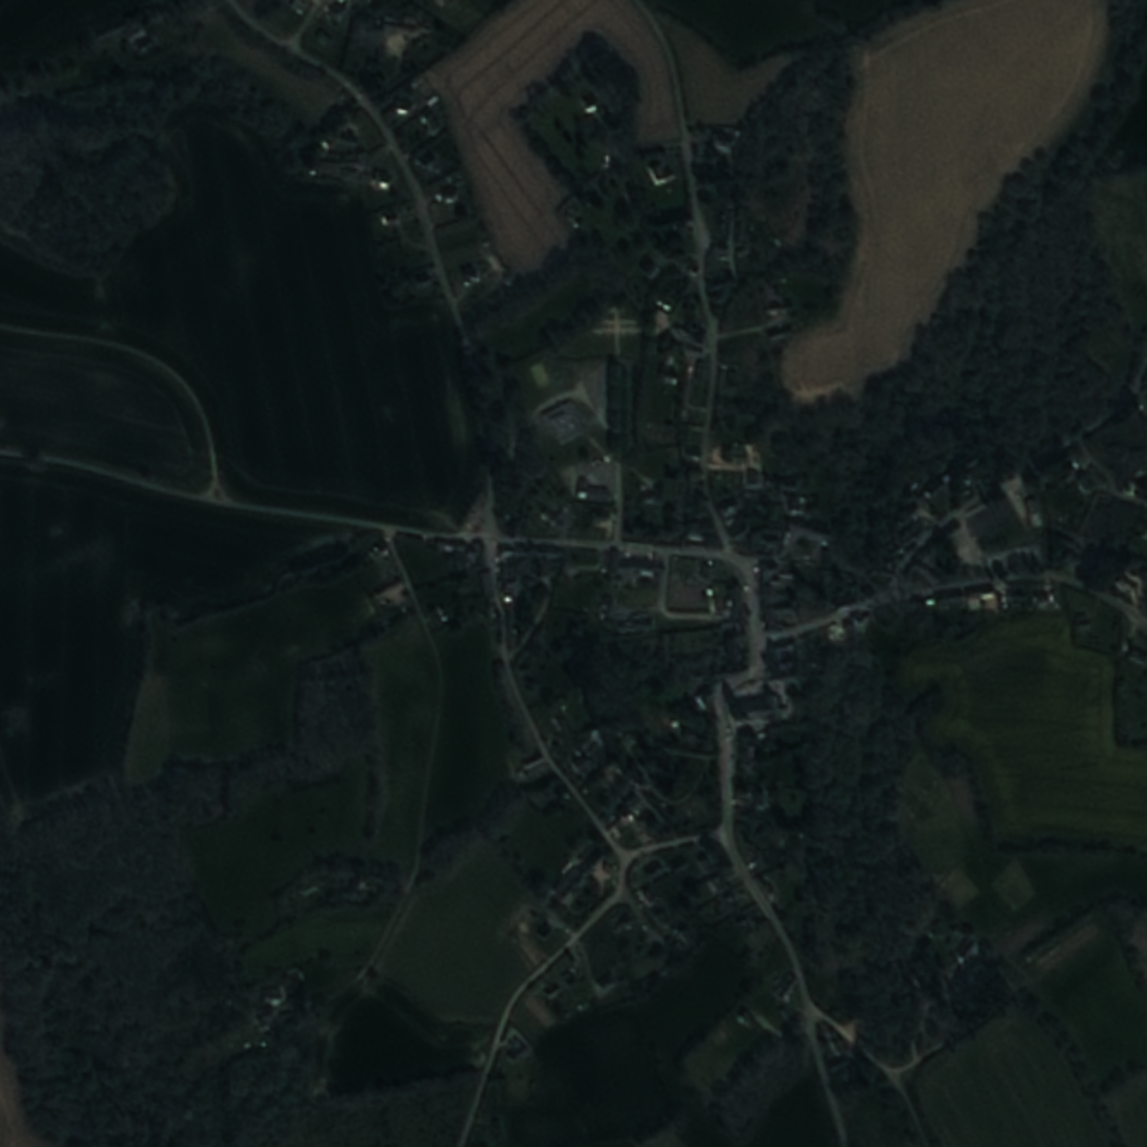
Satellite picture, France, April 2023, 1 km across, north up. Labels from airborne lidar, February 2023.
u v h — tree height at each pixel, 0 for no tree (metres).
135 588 0
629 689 12
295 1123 7
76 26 0
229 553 0
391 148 0
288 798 0
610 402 10
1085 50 0
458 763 0
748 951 9
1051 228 14
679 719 17
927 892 21
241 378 0
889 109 0
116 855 17
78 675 0
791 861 13
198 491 0
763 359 10
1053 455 12
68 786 0
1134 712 0
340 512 0
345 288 0
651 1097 0
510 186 0
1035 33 0
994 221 10
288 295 0
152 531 0
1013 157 0
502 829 17
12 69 0
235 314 0
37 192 21
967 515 0
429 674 0
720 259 0
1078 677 0
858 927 22
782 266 14
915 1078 0
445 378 0
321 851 0
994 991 19
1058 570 12
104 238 15
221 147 0
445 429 0
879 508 6
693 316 7
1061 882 0
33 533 0
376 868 9
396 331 0
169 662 0
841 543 15
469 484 0
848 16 0
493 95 0
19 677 0
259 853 0
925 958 16
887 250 0
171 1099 10
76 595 0
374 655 0
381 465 0
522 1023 0
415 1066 0
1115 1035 0
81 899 17
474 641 0
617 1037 0
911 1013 17
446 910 0
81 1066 13
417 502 0
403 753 0
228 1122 10
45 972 17
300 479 0
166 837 18
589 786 6
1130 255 0
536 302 10
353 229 0
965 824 0
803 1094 0
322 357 0
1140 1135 0
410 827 0
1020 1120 0
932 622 9
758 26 0
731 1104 10
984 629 0
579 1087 0
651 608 0
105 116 20
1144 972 10
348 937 0
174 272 0
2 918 27
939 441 16
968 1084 0
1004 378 18
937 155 0
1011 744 0
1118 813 0
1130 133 0
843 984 7
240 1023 15
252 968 0
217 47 0
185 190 0
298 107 0
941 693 12
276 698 0
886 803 19
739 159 15
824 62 13
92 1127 23
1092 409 15
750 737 12
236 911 0
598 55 16
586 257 18
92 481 0
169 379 0
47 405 0
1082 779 0
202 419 0
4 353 0
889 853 11
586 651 24
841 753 9
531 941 0
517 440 10
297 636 0
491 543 0
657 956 8
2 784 0
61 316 0
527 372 0
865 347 0
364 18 6
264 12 16
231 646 0
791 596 11
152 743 0
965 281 12
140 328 0
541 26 0
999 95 0
